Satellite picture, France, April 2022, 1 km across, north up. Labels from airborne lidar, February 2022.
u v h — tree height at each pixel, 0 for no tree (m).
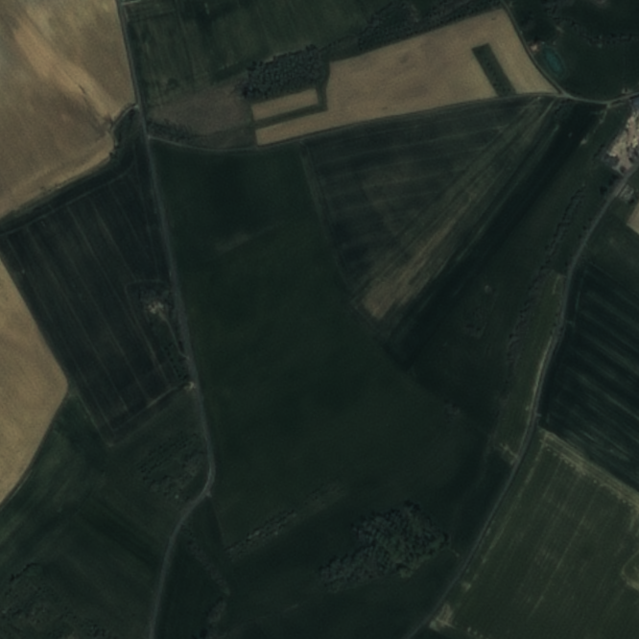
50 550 0
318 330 0
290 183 0
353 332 0
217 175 0
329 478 0
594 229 0
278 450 0
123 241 0
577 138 0
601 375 0
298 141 0
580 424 0
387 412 0
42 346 0
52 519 0
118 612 0
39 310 0
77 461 0
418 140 0
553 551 0
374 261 0
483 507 0
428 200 0
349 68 0
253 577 0
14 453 0
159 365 0
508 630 0
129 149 0
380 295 0
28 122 0
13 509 0
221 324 0
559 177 0
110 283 0
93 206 0
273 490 0
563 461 0
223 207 0
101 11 0
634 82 0
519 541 0
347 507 0
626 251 0
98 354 0
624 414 0
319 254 0
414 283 0
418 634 0
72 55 0
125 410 0
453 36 0
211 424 0
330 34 0
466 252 0
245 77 0
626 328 0
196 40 0
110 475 0
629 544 0
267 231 0
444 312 0
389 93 0
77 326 0
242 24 0
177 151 0
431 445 0
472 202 0
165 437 0
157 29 0
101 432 0
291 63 14
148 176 0
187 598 0
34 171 0
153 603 0
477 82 0
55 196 0
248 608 0
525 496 0
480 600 0
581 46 0
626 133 0
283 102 0
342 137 0
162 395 0
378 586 0
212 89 0
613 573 0
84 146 0
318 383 0
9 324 0
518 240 0
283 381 0
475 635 0
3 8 0
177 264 0
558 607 0
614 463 0
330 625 0
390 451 0
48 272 0
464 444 0
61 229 0
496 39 0
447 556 0
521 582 0
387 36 6
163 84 0
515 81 0
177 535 0
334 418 0
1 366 0
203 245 0
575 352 0
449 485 0
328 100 0
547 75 0
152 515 0
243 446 0
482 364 0
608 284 0
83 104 0
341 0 0
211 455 0
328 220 0
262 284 0
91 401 0
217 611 17
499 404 0
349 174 0
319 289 0
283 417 0
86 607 0
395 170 0
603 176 0
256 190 0
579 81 0
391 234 0
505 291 0
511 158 0
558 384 0
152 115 0
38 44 0
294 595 0
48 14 0
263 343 0
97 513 0
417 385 0
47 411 0
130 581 0
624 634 0
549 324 0
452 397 0
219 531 0
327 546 0
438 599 0
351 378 0
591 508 0
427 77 0
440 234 0
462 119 0
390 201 0
